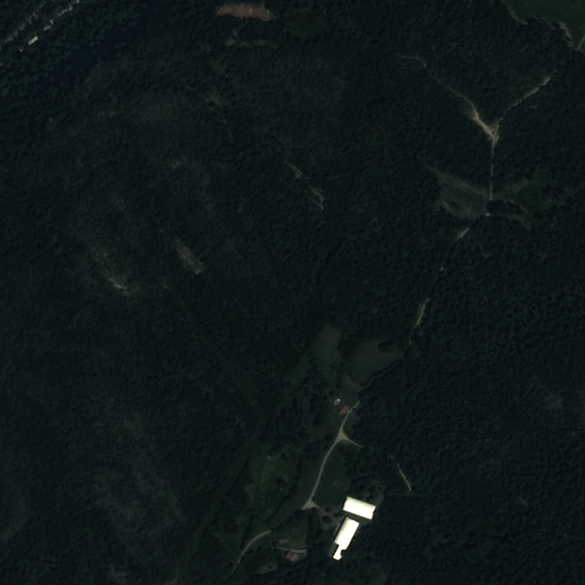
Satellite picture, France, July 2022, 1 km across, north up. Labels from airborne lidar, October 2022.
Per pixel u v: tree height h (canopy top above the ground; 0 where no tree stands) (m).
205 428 12
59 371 13
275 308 7
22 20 16
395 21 14
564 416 8
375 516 14
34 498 12
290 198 16
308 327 0
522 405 12
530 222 0
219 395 16
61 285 13
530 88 6
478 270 11
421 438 13
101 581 14
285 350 11
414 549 12
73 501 9
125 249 9
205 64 13
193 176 7
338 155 13
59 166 7
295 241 17
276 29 18
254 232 11
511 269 10
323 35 8
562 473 22
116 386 6
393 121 12
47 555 17
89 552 17
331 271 13
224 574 13
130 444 8
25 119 23
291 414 19
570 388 7
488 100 14
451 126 9
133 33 18
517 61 8
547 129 11
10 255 13
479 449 9
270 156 7
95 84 8
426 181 16
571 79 11
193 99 8
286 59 7
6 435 9
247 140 11
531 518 21
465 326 20
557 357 13
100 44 8
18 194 14
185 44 10
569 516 19
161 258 9
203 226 9
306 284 14
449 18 14
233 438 14
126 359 12
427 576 18
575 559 13
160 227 18
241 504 16
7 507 6
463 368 22
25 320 10
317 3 14
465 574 12
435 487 8
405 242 14
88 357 10
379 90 9
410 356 18
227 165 10
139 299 6
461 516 15
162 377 16
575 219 14
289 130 9
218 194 14
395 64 8
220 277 10
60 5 13
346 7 27
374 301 10
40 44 8
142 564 7
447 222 8
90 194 7
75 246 9
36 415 9
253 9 0
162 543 6
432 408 22
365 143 11
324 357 0
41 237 12
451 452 15
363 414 19
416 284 15
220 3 17
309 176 8
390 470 12
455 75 8
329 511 13
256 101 15
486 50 11
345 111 12
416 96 12
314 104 7
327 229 13
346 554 20
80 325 11
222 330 15
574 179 15
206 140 10
